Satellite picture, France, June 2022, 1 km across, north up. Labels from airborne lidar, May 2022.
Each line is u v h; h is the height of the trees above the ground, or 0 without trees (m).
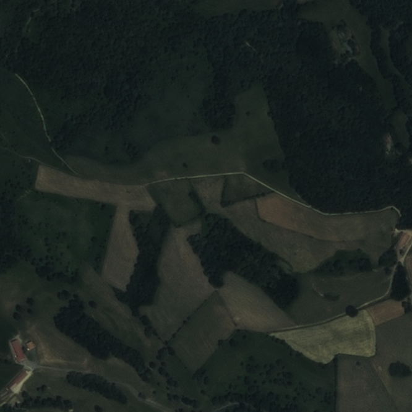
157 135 0
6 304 0
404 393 0
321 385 0
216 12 0
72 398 0
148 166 0
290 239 0
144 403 0
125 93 15
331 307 0
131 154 11
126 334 0
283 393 0
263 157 0
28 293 0
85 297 0
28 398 14
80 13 17
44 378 0
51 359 0
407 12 22
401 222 11
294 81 13
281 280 25
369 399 0
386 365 0
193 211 0
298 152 13
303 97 14
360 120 9
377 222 0
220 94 19
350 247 0
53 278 19
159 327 0
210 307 0
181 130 0
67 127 21
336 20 0
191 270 0
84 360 0
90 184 0
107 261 0
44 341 0
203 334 0
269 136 0
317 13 0
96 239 16
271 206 0
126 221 0
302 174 19
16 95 0
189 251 0
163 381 0
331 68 16
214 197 0
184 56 15
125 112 17
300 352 8
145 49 14
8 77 0
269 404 13
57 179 0
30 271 0
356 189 23
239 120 0
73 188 0
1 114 8
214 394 0
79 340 17
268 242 0
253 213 0
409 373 7
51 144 12
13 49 12
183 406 0
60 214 0
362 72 24
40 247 0
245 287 0
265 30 15
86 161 0
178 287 0
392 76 20
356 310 18
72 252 0
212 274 16
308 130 11
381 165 22
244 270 16
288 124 20
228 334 0
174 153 0
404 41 22
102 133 0
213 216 17
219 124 7
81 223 0
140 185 0
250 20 10
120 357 17
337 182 20
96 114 12
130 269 0
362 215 0
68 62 15
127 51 15
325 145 17
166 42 12
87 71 17
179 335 0
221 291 0
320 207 12
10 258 24
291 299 12
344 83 20
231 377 0
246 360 0
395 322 0
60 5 12
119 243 0
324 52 22
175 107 0
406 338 0
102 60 11
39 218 0
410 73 22
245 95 0
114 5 20
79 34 13
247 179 0
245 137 0
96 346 21
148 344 0
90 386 22
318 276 0
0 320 0
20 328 0
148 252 9
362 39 0
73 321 23
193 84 0
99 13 12
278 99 13
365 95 23
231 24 7
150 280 25
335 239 0
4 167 0
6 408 16
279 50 12
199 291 0
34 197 0
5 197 17
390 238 0
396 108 11
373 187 18
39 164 0
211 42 13
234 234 26
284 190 0
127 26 17
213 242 18
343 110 13
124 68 18
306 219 0
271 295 10
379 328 0
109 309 0
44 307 0
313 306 0
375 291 0
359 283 0
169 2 14
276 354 0
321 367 7
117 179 0
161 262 0
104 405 0
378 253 0
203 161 0
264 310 0
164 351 17
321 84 23
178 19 8
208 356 0
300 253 0
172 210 0
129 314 0
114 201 0
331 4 0
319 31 22
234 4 0
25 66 23
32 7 14
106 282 0
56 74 23
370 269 13
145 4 16
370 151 19
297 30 11
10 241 23
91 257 0
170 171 0
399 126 0
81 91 16
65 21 16
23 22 7
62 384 0
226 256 22
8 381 0
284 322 0
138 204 0
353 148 17
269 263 7
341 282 0
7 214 22
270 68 6
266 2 0
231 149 0
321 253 0
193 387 0
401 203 10
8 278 0
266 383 12
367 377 0
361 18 0
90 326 23
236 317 0
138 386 0
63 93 6
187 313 0
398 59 20
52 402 14
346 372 0
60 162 0
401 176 8
